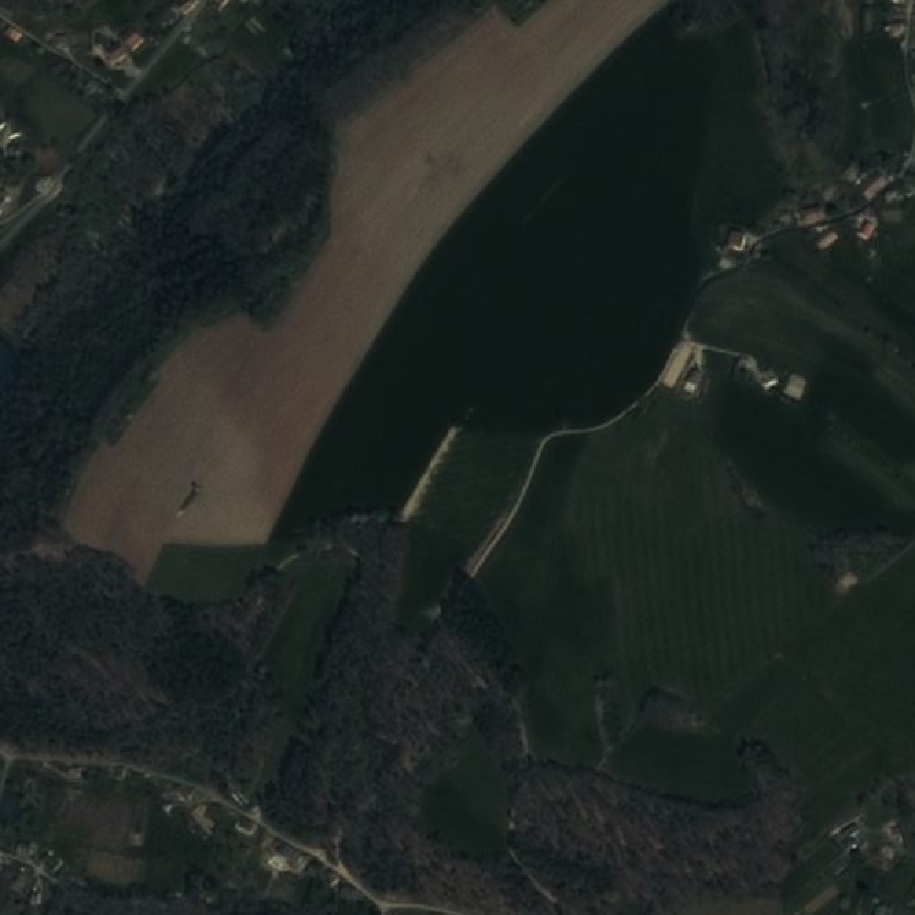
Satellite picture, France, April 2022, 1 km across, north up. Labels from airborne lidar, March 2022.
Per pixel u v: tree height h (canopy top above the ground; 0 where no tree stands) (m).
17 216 0
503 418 0
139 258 9
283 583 26
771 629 0
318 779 22
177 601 0
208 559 0
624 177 0
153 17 7
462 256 0
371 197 0
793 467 0
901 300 0
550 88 0
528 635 0
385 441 0
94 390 9
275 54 0
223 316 24
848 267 0
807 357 0
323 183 22
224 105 0
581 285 0
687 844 29
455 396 0
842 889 0
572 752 0
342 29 25
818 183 0
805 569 0
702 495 0
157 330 8
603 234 0
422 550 0
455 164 0
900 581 0
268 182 25
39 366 25
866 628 0
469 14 19
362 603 24
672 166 0
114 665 25
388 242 0
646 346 0
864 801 9
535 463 0
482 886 19
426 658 26
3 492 25
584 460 0
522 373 0
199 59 0
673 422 0
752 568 0
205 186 25
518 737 20
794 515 0
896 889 0
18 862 0
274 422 0
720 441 0
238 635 25
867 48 0
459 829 0
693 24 24
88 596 27
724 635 0
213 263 30
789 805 27
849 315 0
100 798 0
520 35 0
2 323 0
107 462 0
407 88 0
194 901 20
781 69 27
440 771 17
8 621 31
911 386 0
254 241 27
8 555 20
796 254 0
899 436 0
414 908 0
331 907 14
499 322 0
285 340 0
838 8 0
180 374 0
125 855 0
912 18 0
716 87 0
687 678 0
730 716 0
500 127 0
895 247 0
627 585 0
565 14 0
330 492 0
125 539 0
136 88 0
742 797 0
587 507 0
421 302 0
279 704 20
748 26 0
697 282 0
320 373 0
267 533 0
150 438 0
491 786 0
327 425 0
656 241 0
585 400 0
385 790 24
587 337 0
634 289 0
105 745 28
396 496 0
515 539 0
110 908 27
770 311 0
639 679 0
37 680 27
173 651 27
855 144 0
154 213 23
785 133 0
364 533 24
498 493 0
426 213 0
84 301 15
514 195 0
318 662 0
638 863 26
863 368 0
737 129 0
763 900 22
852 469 0
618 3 0
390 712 27
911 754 0
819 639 0
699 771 0
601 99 0
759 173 0
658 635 0
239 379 0
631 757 0
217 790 12
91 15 0
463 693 28
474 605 29
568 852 21
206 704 20
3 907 25
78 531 0
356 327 0
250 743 21
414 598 0
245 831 0
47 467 8
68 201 8
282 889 0
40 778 11
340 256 0
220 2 0
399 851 27
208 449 0
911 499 0
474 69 0
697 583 0
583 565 0
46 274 0
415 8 29
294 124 21
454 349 0
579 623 0
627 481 0
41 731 20
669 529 0
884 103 0
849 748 0
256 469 0
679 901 19
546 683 0
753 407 0
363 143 0
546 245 0
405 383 0
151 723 22
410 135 0
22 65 0
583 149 0
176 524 0
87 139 0
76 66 7
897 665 0
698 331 0
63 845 0
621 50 0
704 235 0
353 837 27
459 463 0
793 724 0
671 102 0
